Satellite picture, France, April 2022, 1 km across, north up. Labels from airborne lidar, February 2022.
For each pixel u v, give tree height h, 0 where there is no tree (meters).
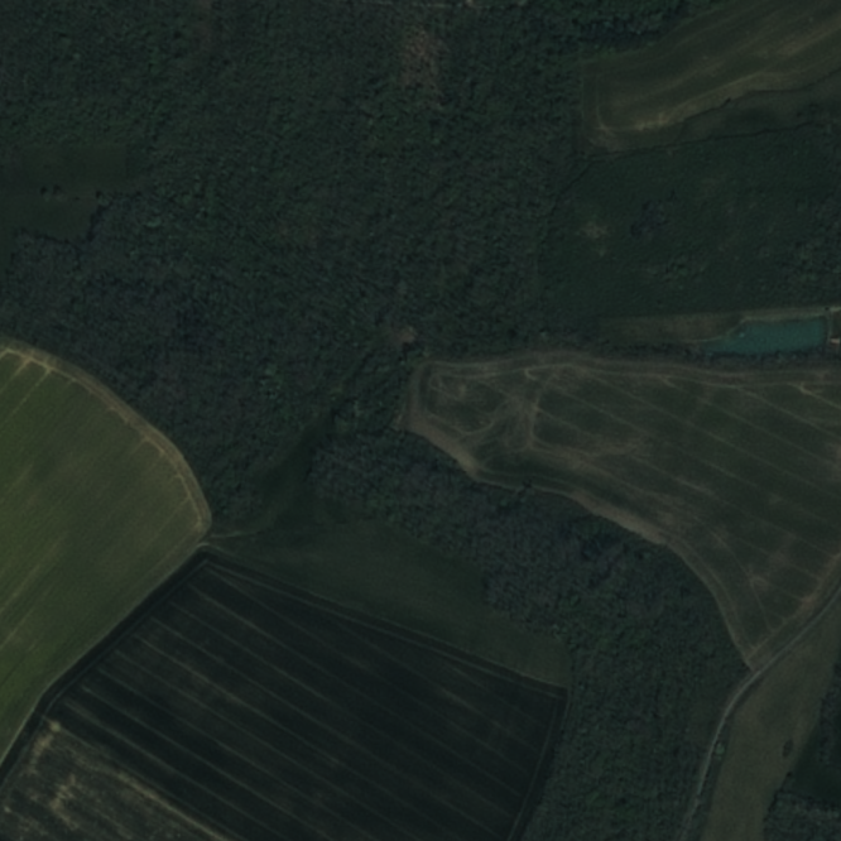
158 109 17
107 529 0
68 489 0
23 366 0
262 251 33
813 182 8
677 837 11
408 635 0
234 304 23
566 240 6
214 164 22
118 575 0
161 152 19
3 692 0
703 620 21
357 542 0
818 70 0
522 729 0
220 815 0
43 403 0
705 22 0
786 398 0
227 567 0
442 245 16
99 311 12
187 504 0
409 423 0
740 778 0
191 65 25
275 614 0
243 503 16
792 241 6
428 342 30
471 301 26
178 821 0
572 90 17
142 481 0
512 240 11
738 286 7
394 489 22
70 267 20
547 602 28
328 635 0
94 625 0
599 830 24
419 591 0
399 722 0
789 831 25
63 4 22
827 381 0
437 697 0
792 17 0
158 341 17
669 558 8
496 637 0
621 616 28
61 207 0
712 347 0
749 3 0
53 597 0
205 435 19
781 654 0
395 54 23
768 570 0
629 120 0
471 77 18
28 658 0
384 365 7
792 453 0
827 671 0
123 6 20
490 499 23
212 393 21
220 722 0
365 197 17
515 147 20
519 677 0
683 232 6
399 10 20
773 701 0
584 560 32
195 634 0
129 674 0
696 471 0
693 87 0
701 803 12
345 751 0
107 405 0
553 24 20
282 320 21
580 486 0
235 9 22
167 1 23
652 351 16
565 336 20
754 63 0
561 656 0
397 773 0
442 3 18
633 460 0
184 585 0
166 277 28
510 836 0
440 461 8
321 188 10
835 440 0
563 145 20
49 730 0
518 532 30
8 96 23
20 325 16
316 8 19
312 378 28
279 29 15
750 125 0
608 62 0
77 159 0
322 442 0
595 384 0
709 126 0
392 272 25
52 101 21
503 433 0
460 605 0
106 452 0
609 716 23
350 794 0
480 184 24
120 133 18
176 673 0
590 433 0
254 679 0
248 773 0
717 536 0
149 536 0
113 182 0
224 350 24
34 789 0
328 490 16
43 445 0
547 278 7
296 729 0
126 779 0
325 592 0
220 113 19
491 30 19
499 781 0
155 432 0
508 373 0
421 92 15
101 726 0
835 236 19
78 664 0
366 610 0
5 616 0
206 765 0
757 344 0
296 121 7
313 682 0
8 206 0
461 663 0
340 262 17
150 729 0
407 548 0
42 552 0
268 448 19
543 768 0
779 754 0
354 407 10
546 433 0
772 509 0
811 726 0
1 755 0
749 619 0
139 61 20
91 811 0
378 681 0
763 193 8
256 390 20
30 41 20
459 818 0
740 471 0
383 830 0
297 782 0
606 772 18
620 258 5
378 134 16
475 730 0
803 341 0
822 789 0
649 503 0
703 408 0
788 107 0
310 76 18
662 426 0
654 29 12
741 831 0
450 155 16
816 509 0
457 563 0
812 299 9
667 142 0
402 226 16
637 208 6
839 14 0
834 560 0
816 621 0
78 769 0
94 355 18
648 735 30
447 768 0
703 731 0
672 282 12
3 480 0
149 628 0
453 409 0
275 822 0
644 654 23
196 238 30
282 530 0
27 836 0
